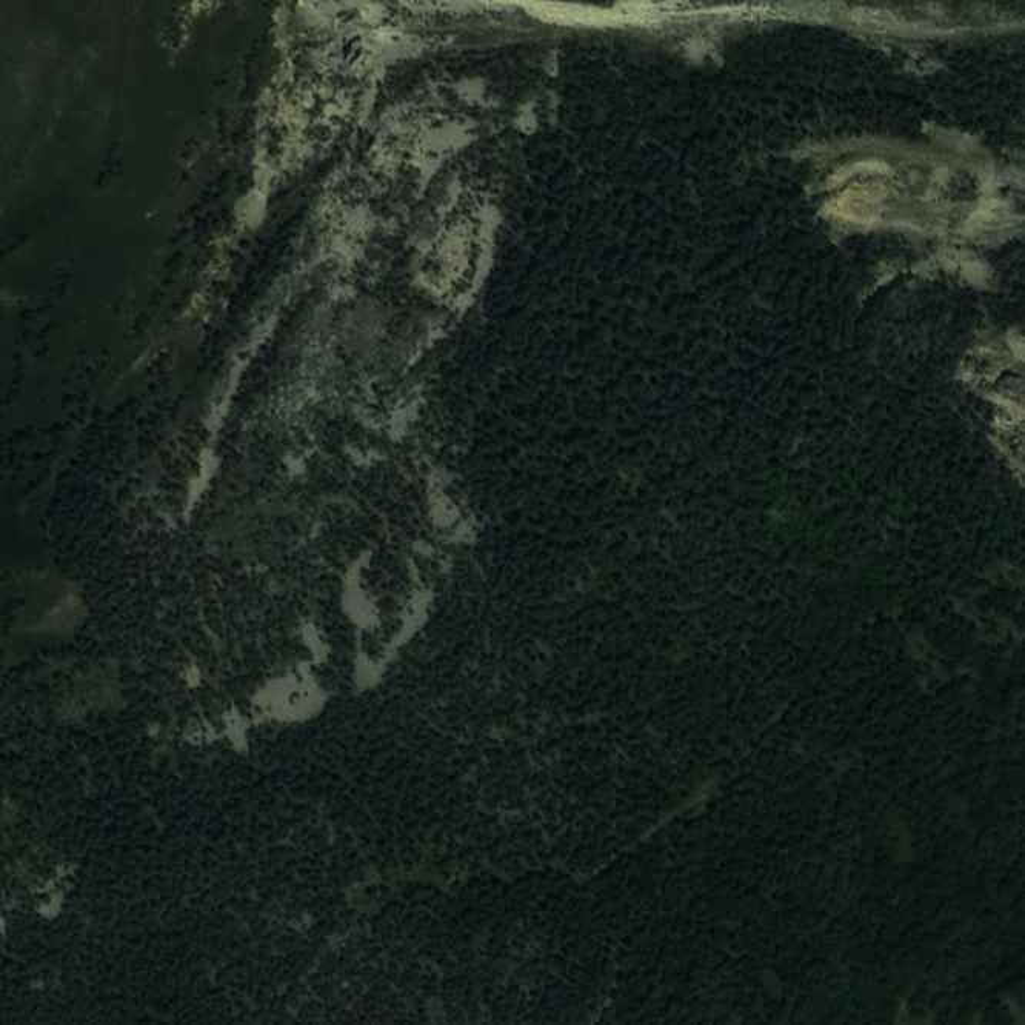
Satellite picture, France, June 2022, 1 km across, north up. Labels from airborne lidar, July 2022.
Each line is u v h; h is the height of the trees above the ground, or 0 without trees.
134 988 11
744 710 8
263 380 7
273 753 20
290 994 11
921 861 7
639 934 25
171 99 0
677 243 13
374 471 12
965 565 19
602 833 25
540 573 28
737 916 14
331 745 19
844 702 31
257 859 15
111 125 0
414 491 14
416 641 12
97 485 12
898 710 27
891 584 12
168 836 17
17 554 0
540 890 22
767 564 18
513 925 16
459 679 10
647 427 28
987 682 7
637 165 22
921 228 0
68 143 0
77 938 18
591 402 33
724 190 33
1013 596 15
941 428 14
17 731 8
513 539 9
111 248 0
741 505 28
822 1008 11
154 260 0
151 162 0
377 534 18
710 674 20
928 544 15
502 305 25
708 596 16
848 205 0
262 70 0
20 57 0
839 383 10
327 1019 13
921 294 14
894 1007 9
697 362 33
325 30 0
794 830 23
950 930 19
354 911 9
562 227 9
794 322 20
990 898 13
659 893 10
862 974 25
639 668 13
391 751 20
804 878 22
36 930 20
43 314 7
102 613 22
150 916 20
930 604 19
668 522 22
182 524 16
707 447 10
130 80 0
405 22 0
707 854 14
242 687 11
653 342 11
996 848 14
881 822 16
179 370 0
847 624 19
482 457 27
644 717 28
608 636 12
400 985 10
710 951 21
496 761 9
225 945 13
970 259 0
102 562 20
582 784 12
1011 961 18
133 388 0
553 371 26
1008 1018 21
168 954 14
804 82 6
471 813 19
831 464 18
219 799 20
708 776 7
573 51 11
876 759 21
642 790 10
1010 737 14
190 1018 24
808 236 29
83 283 0
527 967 17
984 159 0
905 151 0
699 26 0
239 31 0
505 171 14
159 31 0
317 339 0
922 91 7
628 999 19
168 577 17
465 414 25
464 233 0
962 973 21
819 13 0
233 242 0
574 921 17
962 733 14
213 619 12
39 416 0
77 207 0
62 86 0
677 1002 24
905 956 21
